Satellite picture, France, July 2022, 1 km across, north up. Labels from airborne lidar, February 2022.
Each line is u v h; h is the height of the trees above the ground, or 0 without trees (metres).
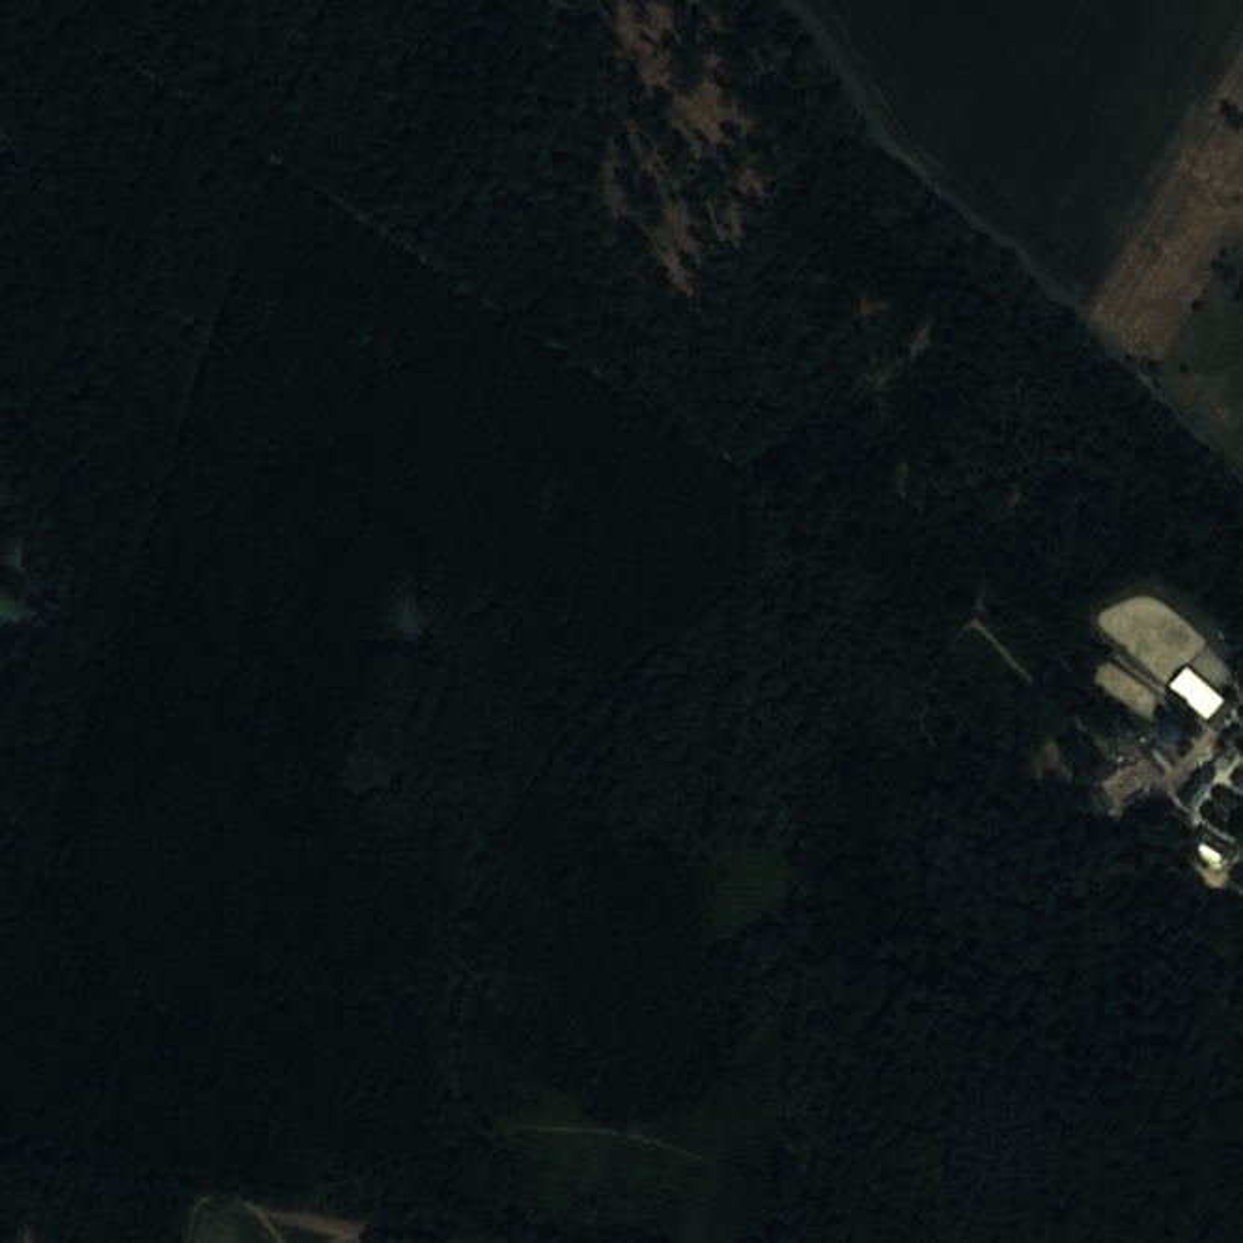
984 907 25
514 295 20
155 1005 20
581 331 25
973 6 0
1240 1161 25
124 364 26
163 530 18
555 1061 11
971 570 13
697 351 21
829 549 7
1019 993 28
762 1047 0
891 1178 23
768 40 20
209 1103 23
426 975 18
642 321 19
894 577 7
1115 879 23
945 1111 26
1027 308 18
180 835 17
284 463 19
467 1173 22
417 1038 25
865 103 0
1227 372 0
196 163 24
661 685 17
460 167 22
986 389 10
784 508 15
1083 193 0
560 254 26
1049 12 0
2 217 23
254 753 19
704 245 26
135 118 23
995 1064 32
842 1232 19
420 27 24
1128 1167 20
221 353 17
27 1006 20
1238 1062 23
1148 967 27
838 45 0
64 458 14
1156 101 0
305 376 17
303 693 18
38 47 21
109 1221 23
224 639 17
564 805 9
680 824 25
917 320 6
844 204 12
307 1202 13
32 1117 20
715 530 17
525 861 8
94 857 19
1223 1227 25
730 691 22
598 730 20
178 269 25
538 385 19
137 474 20
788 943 23
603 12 25
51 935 16
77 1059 19
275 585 21
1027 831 24
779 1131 0
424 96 25
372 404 16
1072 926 31
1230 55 0
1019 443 19
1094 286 0
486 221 20
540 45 26
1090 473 13
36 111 22
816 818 8
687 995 9
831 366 6
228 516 20
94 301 23
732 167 25
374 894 18
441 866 11
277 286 17
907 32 0
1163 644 0
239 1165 18
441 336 17
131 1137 20
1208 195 0
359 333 16
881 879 13
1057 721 26
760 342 20
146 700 17
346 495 21
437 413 16
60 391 25
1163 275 0
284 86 16
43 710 28
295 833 18
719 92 26
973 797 23
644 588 19
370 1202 16
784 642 18
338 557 19
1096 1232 22
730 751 21
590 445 17
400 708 16
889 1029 26
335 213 18
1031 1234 23
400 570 16
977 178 0
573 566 18
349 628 18
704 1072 11
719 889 0
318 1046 21
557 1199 0
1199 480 22
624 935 9
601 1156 0
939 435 11
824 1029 24
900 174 20
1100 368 21
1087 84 0
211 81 27
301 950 24
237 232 21
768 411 18
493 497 18
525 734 14
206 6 24
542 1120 0
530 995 10
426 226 17
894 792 10
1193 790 0
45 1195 25
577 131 27
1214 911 24
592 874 7
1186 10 0
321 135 18
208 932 21
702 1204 0
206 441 16
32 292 22
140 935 22
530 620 18
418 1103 26
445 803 17
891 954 12
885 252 10
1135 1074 16
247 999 21
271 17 19
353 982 23
